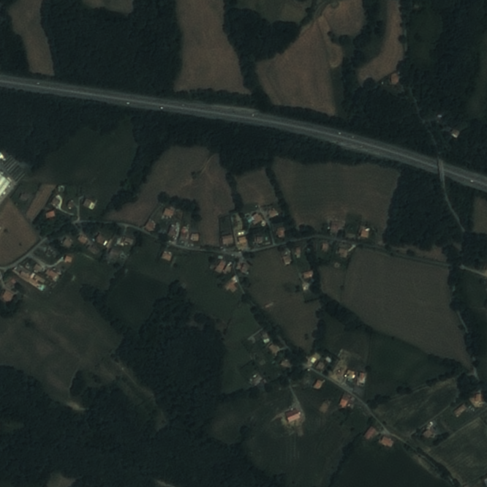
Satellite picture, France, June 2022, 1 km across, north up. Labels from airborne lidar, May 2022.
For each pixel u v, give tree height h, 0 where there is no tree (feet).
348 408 19
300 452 0
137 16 64
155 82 86
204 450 71
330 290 0
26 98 73
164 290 0
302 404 0
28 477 54
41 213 31
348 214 0
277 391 0
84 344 0
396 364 0
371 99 69
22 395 74
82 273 0
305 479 0
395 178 0
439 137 52
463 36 80
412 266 0
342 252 0
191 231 0
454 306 56
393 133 60
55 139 62
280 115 31
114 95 0
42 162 70
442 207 64
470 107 0
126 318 0
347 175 0
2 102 65
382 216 0
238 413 0
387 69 0
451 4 65
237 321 0
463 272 32
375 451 0
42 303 0
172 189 0
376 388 0
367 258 0
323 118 72
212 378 71
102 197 0
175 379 82
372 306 0
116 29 81
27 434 50
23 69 64
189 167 0
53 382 0
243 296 36
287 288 0
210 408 83
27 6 0
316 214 0
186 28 0
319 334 80
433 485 0
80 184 0
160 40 80
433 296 0
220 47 0
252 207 0
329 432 0
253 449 0
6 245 0
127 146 0
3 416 31
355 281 0
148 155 57
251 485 88
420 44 0
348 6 0
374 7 72
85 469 81
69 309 0
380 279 0
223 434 0
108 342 0
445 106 54
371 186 0
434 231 75
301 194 0
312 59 0
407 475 0
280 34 75
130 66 50
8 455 73
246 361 0
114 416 86
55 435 74
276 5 0
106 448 25
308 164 27
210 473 54
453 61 94
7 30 45
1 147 60
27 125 72
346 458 47
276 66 0
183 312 56
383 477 0
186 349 80
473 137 52
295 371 56
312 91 0
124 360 27
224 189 0
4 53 70
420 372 0
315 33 0
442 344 0
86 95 0
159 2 88
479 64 20
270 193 0
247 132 64
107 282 0
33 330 0
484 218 0
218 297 0
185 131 65
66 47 66
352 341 0
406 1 71
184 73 0
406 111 64
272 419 0
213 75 0
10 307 62
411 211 84
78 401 0
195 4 0
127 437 84
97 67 65
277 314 0
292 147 62
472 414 0
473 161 42
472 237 72
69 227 40
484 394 51
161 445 64
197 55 0
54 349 0
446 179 23
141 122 63
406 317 0
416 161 0
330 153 41
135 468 73
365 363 0
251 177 0
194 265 0
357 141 0
